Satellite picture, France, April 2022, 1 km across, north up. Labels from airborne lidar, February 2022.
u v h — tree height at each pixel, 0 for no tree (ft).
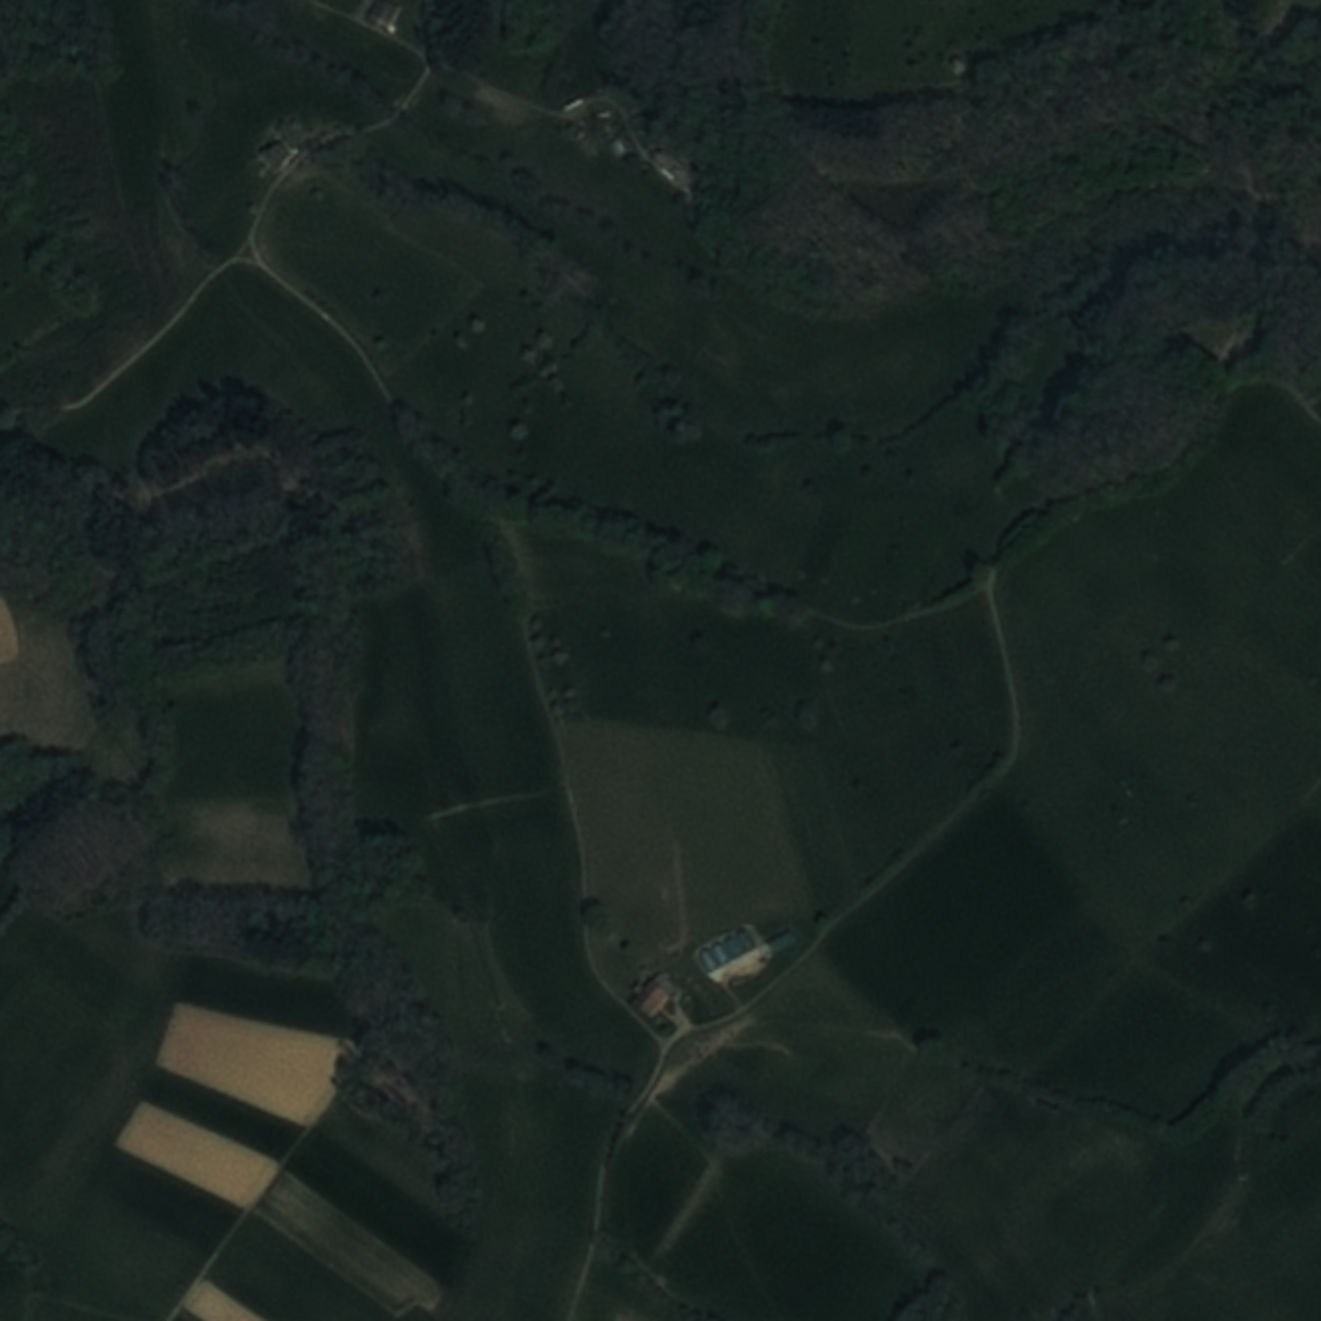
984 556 0
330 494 80
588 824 0
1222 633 0
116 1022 0
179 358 0
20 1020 0
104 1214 0
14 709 0
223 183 0
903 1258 0
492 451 0
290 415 24
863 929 0
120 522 96
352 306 0
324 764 106
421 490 0
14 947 0
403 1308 0
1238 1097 73
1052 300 48
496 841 0
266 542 92
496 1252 0
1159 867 0
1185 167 96
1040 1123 0
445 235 0
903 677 0
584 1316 0
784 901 0
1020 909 0
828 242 109
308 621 51
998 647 0
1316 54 90
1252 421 0
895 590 0
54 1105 0
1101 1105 23
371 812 0
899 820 0
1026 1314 21
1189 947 0
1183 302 110
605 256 0
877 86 0
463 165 0
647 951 0
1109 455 114
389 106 53
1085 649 0
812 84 0
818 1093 0
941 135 115
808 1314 0
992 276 78
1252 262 121
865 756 0
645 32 123
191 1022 0
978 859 0
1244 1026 0
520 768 0
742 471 0
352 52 0
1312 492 0
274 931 74
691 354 0
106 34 78
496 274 0
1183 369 94
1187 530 0
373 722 0
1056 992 0
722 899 0
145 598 83
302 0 0
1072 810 0
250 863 0
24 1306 0
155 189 0
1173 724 0
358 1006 69
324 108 0
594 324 24
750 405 0
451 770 0
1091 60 101
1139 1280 0
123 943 0
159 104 0
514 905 0
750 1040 0
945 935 0
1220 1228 0
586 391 0
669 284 0
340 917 95
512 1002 0
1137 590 0
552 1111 0
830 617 0
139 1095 0
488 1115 0
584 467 0
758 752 0
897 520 0
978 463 0
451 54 76
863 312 91
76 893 95
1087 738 0
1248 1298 0
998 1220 0
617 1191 0
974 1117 0
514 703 0
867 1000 0
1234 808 0
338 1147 0
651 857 0
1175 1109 0
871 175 112
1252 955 0
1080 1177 0
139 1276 0
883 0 0
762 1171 0
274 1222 0
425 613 0
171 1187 0
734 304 0
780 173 101
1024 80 104
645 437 0
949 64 31
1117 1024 0
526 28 92
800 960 0
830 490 0
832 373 0
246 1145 0
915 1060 0
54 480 91
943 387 0
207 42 0
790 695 0
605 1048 0
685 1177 0
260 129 0
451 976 0
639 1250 0
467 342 33
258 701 0
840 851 0
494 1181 0
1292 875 0
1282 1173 0
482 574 0
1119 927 0
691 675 0
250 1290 0
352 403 0
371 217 0
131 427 0
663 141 65
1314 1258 0
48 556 103
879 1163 66
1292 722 0
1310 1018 0
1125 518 0
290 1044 0
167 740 41
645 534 68
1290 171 73
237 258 0
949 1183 0
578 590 0
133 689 66
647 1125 0
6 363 55
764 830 0
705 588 74
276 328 0
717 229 100
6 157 83
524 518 47
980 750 0
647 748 0
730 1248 0
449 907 0
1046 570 0
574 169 0
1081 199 89
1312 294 110
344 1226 0
